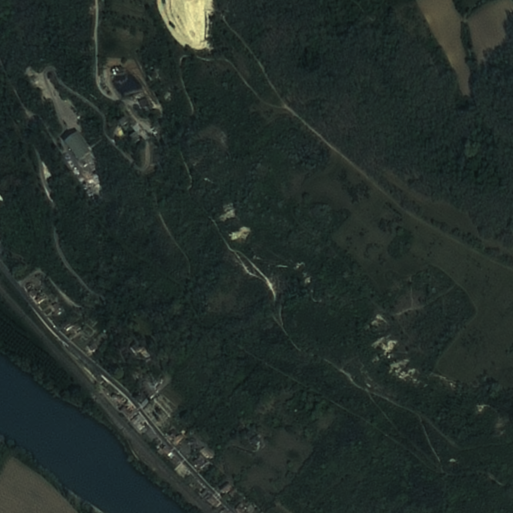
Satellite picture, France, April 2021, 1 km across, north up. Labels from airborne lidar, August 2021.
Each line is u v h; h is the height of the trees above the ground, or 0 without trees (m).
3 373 0
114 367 7
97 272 13
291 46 22
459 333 10
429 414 8
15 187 12
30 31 19
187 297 14
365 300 8
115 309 19
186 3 0
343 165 0
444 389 9
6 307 12
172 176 13
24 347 25
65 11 14
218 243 6
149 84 16
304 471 10
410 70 19
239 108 7
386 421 9
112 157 9
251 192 6
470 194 21
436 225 10
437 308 6
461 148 26
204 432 7
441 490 13
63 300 8
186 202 7
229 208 0
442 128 23
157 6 0
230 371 19
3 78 16
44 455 0
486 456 9
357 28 24
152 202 8
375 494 6
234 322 11
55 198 21
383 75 14
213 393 13
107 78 0
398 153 19
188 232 16
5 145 20
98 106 7
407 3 0
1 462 27
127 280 14
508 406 15
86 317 16
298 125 7
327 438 7
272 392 10
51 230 11
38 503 17
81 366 15
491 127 19
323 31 25
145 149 11
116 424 0
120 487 0
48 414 0
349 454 6
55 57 7
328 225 7
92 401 9
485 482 12
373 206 0
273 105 0
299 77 21
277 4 13
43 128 21
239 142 6
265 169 0
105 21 6
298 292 17
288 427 9
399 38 17
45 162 16
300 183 0
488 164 19
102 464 0
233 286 5
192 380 9
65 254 9
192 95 11
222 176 12
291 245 12
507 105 11
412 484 13
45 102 10
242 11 18
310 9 17
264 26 15
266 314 17
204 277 12
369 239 0
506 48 15
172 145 17
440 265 0
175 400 0
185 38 0
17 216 12
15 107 9
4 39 20
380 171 11
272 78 17
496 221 20
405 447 11
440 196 17
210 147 6
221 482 7
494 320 0
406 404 7
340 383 9
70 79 11
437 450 10
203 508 0
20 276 22
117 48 0
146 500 0
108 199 18
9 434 0
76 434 0
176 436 0
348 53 22
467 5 0
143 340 18
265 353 14
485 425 9
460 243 0
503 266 0
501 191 19
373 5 8
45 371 24
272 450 0
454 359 0
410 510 18
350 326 15
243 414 6
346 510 8
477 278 0
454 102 20
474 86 20
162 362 12
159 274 8
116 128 0
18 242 15
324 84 22
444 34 0
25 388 0
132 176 14
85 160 0
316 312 12
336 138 16
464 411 15
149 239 11
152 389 0
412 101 17
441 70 12
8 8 27
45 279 5
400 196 15
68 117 0
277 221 8
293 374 10
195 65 6
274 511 0
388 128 19
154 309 17
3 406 0
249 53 12
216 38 6
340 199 0
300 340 8
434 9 0
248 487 0
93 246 13
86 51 10
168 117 18
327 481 7
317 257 10
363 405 14
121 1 8
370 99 16
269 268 7
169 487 12
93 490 0
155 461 0
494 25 0
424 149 21
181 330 17
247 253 7
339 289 11
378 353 6
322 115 12
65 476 0
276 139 7
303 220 7
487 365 0
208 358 13
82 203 11
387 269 0
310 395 14
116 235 13
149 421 0
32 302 0
